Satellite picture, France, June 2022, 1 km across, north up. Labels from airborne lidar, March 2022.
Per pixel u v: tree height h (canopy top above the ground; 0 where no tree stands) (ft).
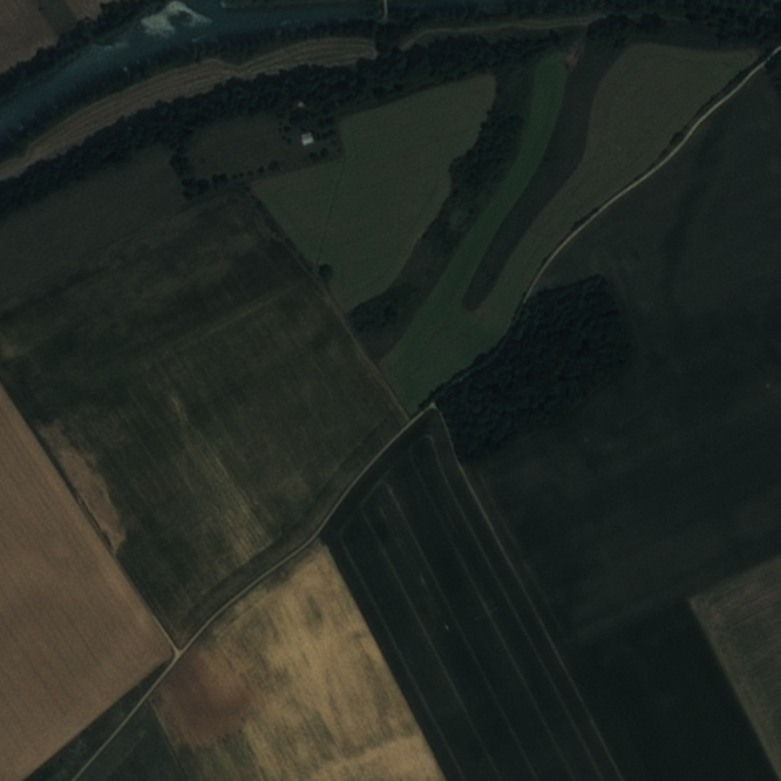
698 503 0
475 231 0
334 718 0
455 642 0
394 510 0
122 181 0
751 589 0
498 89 27
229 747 0
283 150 0
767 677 0
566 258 0
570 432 0
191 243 0
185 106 71
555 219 0
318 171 0
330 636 0
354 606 0
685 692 0
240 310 0
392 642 0
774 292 0
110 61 0
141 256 0
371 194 0
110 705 0
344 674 0
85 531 0
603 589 0
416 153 0
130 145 63
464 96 0
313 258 0
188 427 0
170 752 0
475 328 0
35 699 0
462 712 0
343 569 0
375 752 0
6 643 0
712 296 0
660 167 0
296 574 0
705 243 0
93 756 0
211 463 0
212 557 0
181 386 0
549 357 81
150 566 0
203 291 0
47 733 0
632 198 0
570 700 0
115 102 0
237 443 0
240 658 0
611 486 0
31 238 0
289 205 0
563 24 0
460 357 0
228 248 0
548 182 0
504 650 0
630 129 0
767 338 0
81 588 0
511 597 0
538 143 0
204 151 0
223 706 0
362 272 0
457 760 0
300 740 0
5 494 0
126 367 0
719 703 0
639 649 0
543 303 42
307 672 0
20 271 0
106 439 0
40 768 0
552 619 0
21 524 0
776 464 0
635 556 0
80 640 0
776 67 45
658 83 0
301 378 0
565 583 0
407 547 0
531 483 0
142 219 0
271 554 0
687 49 0
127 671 0
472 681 0
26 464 0
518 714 0
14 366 0
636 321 0
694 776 0
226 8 0
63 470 0
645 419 0
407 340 0
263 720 0
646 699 0
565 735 0
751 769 0
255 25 0
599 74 0
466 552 0
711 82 0
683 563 0
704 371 0
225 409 0
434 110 0
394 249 0
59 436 0
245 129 0
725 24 46
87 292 0
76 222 0
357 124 0
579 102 0
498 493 0
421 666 0
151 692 0
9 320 0
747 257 0
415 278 0
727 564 0
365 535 0
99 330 0
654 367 0
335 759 0
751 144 0
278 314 0
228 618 0
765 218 0
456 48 83
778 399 0
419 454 0
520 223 0
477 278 0
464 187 19
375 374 0
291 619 0
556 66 0
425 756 0
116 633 0
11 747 0
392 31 55
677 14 0
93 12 0
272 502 0
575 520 0
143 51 0
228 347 0
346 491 0
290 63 0
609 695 0
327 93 58
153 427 0
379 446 0
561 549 0
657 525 0
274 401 0
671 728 0
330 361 0
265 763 0
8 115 0
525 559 0
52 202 0
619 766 0
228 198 0
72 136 0
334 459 0
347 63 0
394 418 0
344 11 0
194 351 0
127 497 0
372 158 0
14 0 0
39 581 0
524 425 80
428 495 0
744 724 0
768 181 0
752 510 0
